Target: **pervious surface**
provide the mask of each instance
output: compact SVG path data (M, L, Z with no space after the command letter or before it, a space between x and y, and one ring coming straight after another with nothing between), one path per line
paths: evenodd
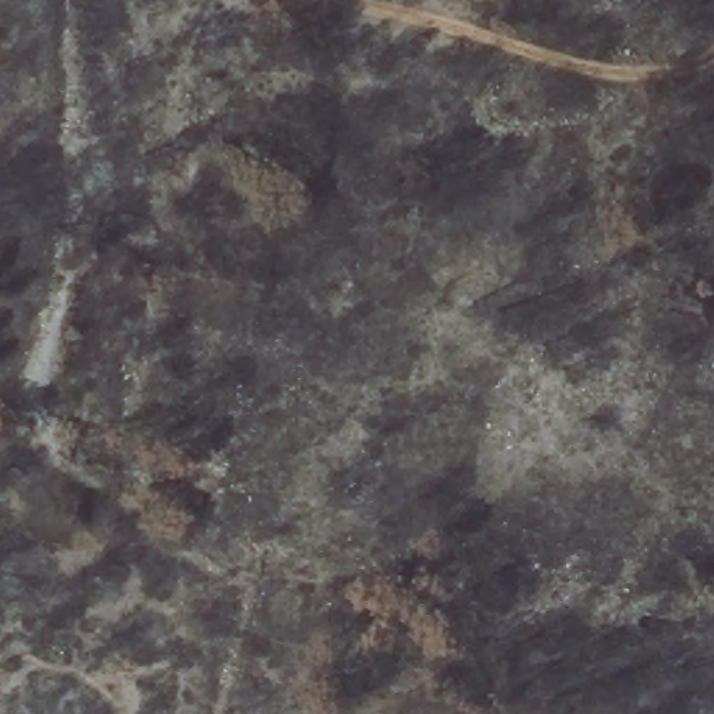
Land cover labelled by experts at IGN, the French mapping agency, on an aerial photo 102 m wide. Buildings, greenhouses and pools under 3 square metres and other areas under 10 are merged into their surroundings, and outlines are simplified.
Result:
M605 81L641 81L650 75L650 64L608 64L580 59L572 53L558 53L538 47L533 42L522 42L508 28L485 31L474 25L477 14L466 6L466 0L363 0L365 20L390 20L393 39L399 39L407 28L438 28L435 36L427 42L427 50L441 50L452 45L457 36L466 36L471 42L494 45L505 53L547 67L575 70L588 78Z

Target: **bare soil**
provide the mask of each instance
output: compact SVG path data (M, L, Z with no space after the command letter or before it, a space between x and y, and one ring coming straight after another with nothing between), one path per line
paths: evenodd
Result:
M641 81L605 81L588 78L575 70L547 67L505 53L494 45L471 42L466 36L457 36L452 45L441 50L427 50L427 42L435 36L438 28L407 28L399 39L393 39L390 20L365 20L363 0L0 0L0 393L11 393L17 402L17 421L8 424L0 435L0 714L290 714L301 711L301 706L293 703L293 697L287 697L284 689L298 678L301 669L312 667L312 661L332 661L332 653L337 650L343 653L343 664L365 650L360 636L368 630L371 614L351 608L346 594L351 583L390 583L396 588L396 597L407 600L410 611L418 611L424 605L427 614L443 614L446 655L424 655L418 667L404 669L390 686L374 692L363 708L349 711L335 703L337 714L714 714L714 0L466 0L466 6L477 14L474 25L485 31L508 28L522 42L533 42L538 47L558 53L572 53L580 59L608 64L650 64L650 75ZM290 176L304 181L307 206L301 218L273 231L257 226L245 212L245 198L223 184L226 176L215 165L218 151L223 145L234 148L240 159L257 162L259 170L287 170ZM148 452L148 446L159 441L176 446L181 452L181 460L206 460L206 471L195 488L212 496L212 513L209 527L198 533L195 544L187 536L170 541L148 541L148 536L139 530L139 519L134 510L151 494L148 471L153 455Z

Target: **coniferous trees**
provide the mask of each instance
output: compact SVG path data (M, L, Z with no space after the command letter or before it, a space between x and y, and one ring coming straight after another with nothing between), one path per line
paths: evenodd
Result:
M17 421L17 402L11 393L0 393L0 435L8 424Z
M139 519L139 530L148 536L148 541L170 541L187 536L195 544L198 533L209 527L212 513L212 496L195 488L206 471L206 460L181 460L181 452L176 446L159 441L148 446L148 452L153 455L148 471L151 494L134 510Z
M245 212L257 226L273 231L301 218L307 206L304 181L290 176L287 170L259 170L257 162L240 159L234 148L223 145L218 151L215 165L226 176L223 184L245 198Z
M443 614L427 614L424 605L418 611L410 611L407 600L396 597L396 588L390 583L351 583L346 594L351 608L371 614L368 630L360 636L365 650L343 664L343 653L337 650L332 653L332 661L312 661L312 667L301 669L298 678L284 689L287 697L293 697L293 703L301 706L301 711L290 714L337 714L335 703L349 711L363 708L374 692L390 686L404 669L418 667L424 655L446 655Z

